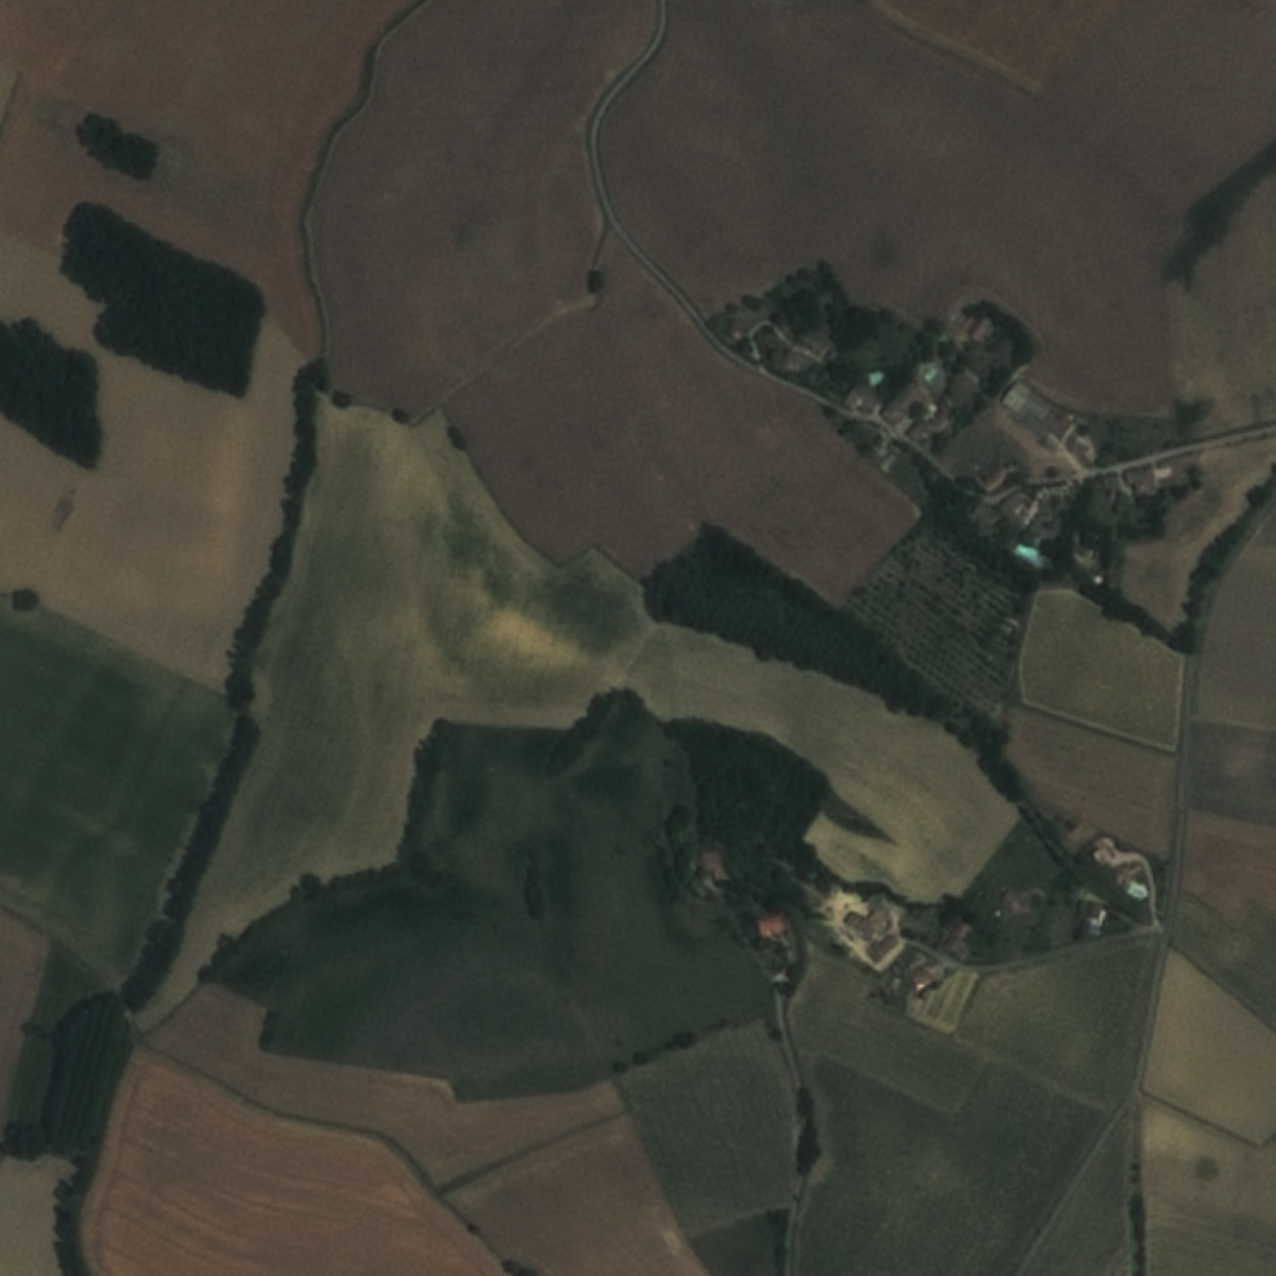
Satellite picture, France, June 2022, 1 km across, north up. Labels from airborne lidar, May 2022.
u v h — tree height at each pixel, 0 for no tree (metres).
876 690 19
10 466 0
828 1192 0
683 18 0
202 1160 0
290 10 0
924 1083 0
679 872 11
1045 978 0
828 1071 0
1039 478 0
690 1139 0
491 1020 0
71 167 0
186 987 0
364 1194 0
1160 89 0
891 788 0
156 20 0
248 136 0
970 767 0
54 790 0
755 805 7
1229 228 0
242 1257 0
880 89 0
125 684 0
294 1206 0
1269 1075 0
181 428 0
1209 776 0
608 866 0
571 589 0
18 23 0
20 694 0
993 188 0
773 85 0
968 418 10
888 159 0
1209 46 0
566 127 0
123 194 0
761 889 6
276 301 0
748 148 0
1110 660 0
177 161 0
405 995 0
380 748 0
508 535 0
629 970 0
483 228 0
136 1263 0
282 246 0
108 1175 0
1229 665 0
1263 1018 0
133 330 20
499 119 0
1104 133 0
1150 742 0
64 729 0
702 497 0
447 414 0
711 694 0
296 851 0
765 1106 0
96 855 0
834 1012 0
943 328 12
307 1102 0
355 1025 0
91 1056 30
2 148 0
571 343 0
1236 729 0
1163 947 0
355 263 0
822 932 0
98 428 14
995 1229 0
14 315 0
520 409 0
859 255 0
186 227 0
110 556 0
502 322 0
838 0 0
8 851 0
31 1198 0
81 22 0
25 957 0
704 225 0
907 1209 0
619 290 0
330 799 0
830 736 0
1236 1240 0
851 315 14
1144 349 0
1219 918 0
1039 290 0
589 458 0
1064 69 0
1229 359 0
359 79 0
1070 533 12
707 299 0
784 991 12
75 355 15
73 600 0
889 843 0
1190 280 0
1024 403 0
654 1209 0
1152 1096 0
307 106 0
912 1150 0
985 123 0
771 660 15
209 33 0
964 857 0
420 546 0
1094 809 0
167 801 0
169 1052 0
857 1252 0
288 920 0
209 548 0
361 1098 0
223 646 0
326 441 0
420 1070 0
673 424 0
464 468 0
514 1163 0
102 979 0
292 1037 0
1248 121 0
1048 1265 0
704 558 9
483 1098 0
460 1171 0
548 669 0
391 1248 0
